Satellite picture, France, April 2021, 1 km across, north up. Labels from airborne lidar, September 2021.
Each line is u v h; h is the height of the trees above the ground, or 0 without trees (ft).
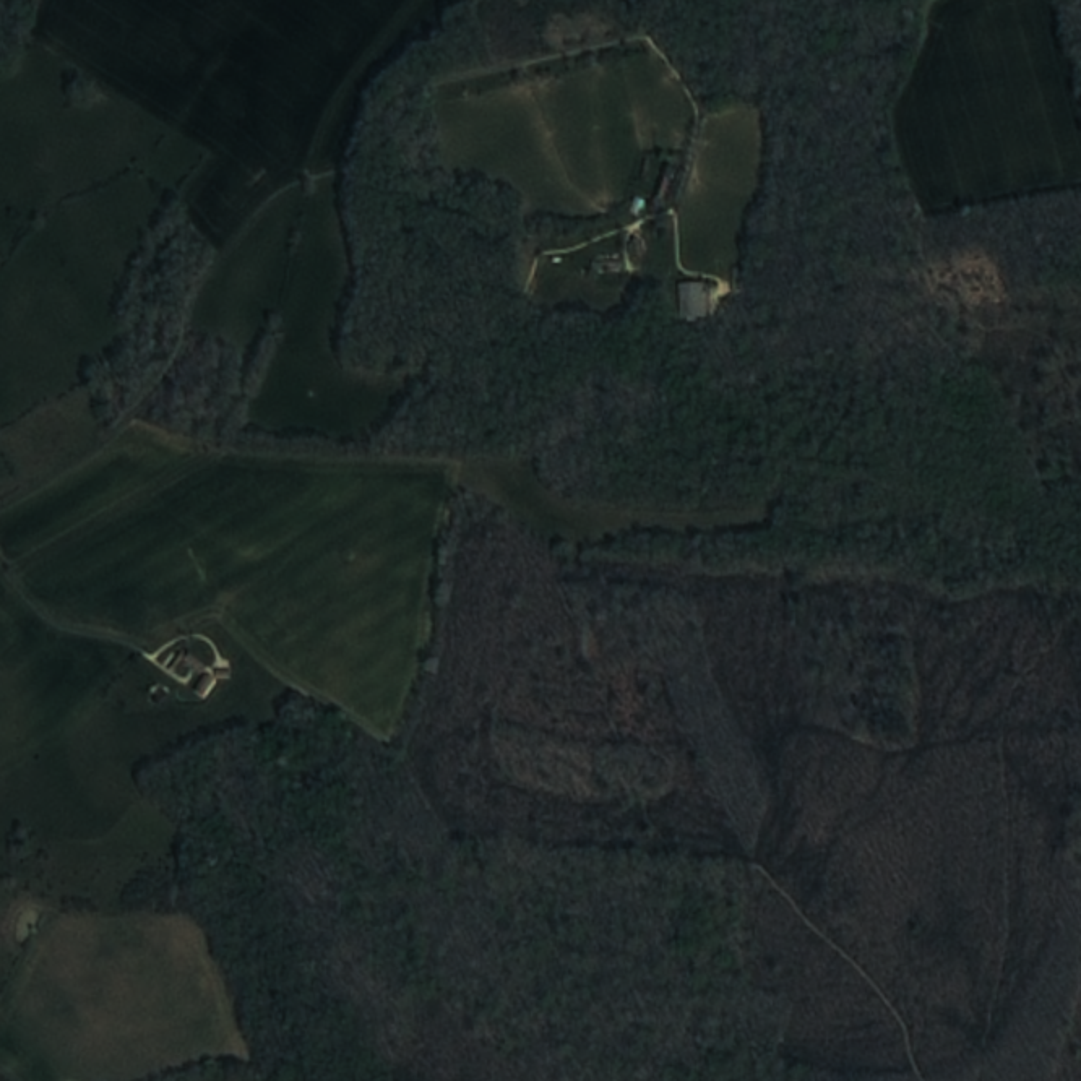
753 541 62
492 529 20
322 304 0
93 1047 0
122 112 0
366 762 56
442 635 39
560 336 68
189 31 0
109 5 0
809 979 29
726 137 0
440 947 62
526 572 23
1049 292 76
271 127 0
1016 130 0
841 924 60
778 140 72
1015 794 22
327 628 0
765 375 68
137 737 0
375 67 0
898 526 66
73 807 0
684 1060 55
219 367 75
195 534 0
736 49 66
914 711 66
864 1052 19
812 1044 28
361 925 73
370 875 51
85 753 0
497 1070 25
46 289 0
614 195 0
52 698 0
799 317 60
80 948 0
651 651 68
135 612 0
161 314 60
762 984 36
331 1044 76
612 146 0
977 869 20
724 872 76
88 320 0
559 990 67
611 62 36
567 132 0
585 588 41
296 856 80
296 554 0
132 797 0
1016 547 56
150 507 0
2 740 0
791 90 52
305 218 25
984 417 53
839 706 41
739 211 0
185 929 0
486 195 85
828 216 78
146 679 0
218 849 81
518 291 64
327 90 0
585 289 0
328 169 0
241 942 66
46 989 0
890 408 73
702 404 68
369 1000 48
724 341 70
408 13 0
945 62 0
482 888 60
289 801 73
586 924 58
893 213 75
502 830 27
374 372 79
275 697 0
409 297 90
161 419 47
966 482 72
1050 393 77
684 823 20
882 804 19
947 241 49
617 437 80
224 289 0
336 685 0
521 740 49
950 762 22
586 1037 52
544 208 0
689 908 79
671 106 0
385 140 71
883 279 81
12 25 52
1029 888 26
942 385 77
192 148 0
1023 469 63
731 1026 62
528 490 0
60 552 0
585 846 28
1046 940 28
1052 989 53
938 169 0
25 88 0
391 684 0
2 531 0
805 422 61
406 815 60
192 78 0
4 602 0
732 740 55
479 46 72
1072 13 72
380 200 75
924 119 0
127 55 0
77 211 0
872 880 24
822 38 80
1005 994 22
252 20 0
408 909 54
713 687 45
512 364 75
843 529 36
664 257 0
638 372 73
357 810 56
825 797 27
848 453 54
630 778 70
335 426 0
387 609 0
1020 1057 47
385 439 69
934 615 24
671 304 71
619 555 55
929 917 25
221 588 0
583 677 28
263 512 0
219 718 0
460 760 26
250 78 0
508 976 58
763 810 60
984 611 25
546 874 55
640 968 59
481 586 20
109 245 0
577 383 68
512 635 21
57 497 0
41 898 22
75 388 25
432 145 63
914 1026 26
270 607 0
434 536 0
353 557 0
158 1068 0
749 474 80
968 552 47
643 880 65
